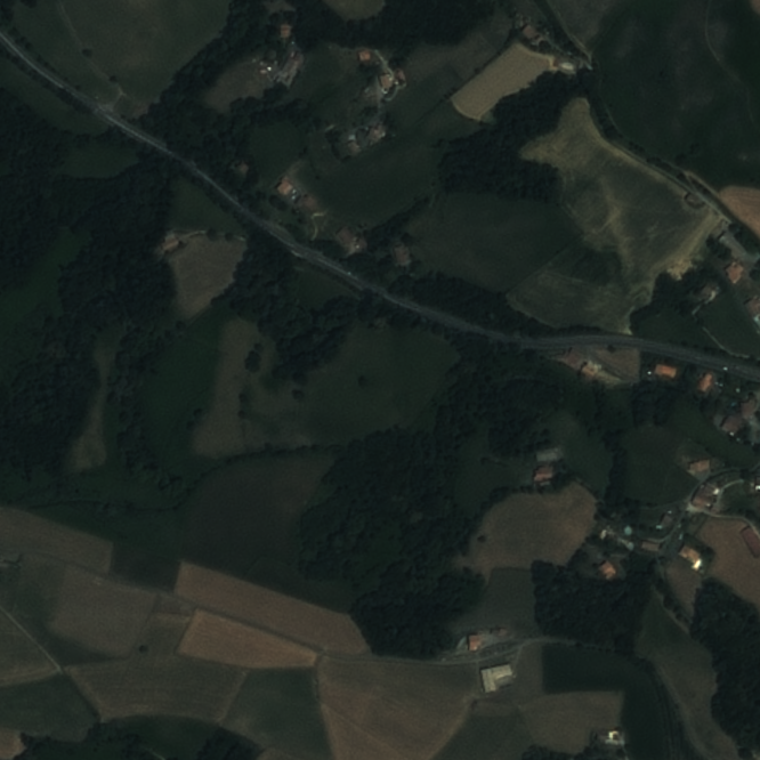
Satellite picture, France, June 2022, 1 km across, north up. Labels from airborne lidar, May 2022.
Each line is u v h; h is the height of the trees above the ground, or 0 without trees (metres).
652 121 0
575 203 0
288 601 0
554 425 0
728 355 13
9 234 15
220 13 0
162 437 0
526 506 0
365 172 0
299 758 0
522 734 0
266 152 0
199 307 0
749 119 0
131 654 0
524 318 19
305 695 0
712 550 15
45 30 0
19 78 0
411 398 0
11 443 20
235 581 0
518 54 0
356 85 0
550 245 0
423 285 21
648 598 14
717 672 7
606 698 0
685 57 0
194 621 0
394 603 21
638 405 16
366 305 21
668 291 13
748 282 0
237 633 0
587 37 0
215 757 13
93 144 16
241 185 11
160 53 0
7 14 17
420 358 0
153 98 0
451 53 0
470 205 0
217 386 0
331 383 0
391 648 13
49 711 0
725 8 0
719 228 0
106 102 0
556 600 23
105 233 26
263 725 0
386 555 0
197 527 0
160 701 0
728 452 0
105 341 0
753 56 0
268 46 7
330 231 0
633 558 9
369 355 0
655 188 0
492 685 0
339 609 0
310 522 10
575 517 0
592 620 24
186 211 0
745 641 24
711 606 23
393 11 18
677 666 0
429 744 0
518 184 27
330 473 7
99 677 0
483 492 0
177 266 0
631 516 10
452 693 0
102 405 0
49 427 13
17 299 0
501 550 0
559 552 0
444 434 15
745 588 0
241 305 20
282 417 0
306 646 0
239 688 0
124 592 0
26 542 0
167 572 0
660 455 0
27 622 0
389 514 12
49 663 0
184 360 0
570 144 0
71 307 13
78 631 0
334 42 14
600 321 0
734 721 22
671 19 0
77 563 0
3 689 0
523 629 0
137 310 19
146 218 30
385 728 0
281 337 10
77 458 0
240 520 0
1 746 0
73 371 21
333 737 0
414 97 0
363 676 0
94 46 0
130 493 0
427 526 9
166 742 0
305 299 0
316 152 0
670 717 5
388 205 0
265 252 12
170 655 0
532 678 0
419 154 0
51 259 0
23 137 16
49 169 19
